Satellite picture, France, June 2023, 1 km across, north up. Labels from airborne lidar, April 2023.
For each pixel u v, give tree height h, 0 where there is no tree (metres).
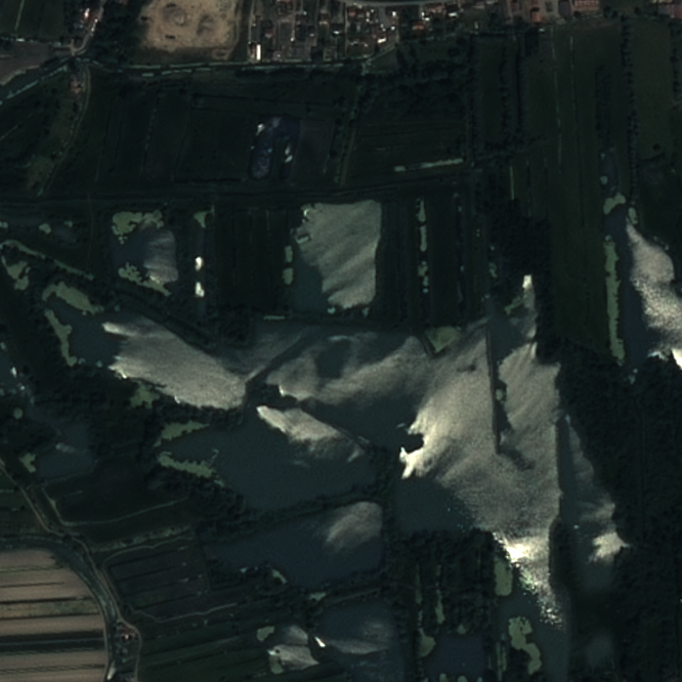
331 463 0
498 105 0
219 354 0
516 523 0
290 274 0
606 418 8
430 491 0
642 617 16
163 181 0
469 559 8
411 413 0
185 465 0
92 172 0
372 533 0
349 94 0
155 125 0
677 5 0
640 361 0
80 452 0
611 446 6
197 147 0
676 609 7
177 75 0
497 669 0
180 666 0
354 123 6
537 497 0
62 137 0
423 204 0
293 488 0
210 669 0
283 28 0
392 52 0
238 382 0
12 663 0
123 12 10
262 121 0
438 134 0
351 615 0
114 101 0
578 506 0
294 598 8
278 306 8
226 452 0
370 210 0
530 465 0
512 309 0
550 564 0
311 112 8
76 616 0
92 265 0
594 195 0
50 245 0
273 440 0
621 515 13
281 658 0
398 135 0
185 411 8
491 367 0
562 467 0
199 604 0
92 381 6
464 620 11
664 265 0
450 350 0
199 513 0
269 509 0
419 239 0
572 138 0
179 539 0
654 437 6
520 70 13
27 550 0
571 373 8
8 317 0
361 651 0
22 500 0
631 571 6
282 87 5
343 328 0
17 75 0
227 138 0
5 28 0
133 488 0
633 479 8
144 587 0
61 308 0
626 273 0
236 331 9
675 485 6
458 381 0
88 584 0
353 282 0
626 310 0
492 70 0
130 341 0
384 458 10
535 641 0
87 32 0
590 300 0
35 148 8
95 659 0
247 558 0
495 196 10
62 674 0
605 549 0
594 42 0
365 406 0
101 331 0
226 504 11
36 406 6
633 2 0
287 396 0
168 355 0
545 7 0
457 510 0
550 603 0
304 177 0
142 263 0
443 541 7
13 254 7
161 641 0
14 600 0
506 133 7
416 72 18
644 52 0
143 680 0
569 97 0
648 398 7
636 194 8
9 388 0
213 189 0
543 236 12
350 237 0
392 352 0
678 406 9
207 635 0
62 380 6
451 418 0
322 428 0
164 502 0
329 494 0
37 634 0
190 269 7
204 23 0
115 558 0
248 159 0
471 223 0
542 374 0
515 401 0
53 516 0
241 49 0
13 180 0
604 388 12
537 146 0
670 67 0
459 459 0
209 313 12
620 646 0
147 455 14
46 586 0
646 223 0
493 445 0
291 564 0
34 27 0
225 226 0
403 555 14
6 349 0
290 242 0
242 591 0
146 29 0
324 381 0
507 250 8
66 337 0
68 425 0
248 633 0
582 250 0
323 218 0
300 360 0
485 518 0
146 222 0
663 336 0
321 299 0
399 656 0
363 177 0
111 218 0
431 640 0
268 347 0
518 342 0
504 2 0
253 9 0
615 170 0
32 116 0
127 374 0
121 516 0
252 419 0
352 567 0
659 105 0
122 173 0
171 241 0
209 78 0
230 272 0
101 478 0
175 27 0
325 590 9
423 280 0
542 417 0
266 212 0
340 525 0
